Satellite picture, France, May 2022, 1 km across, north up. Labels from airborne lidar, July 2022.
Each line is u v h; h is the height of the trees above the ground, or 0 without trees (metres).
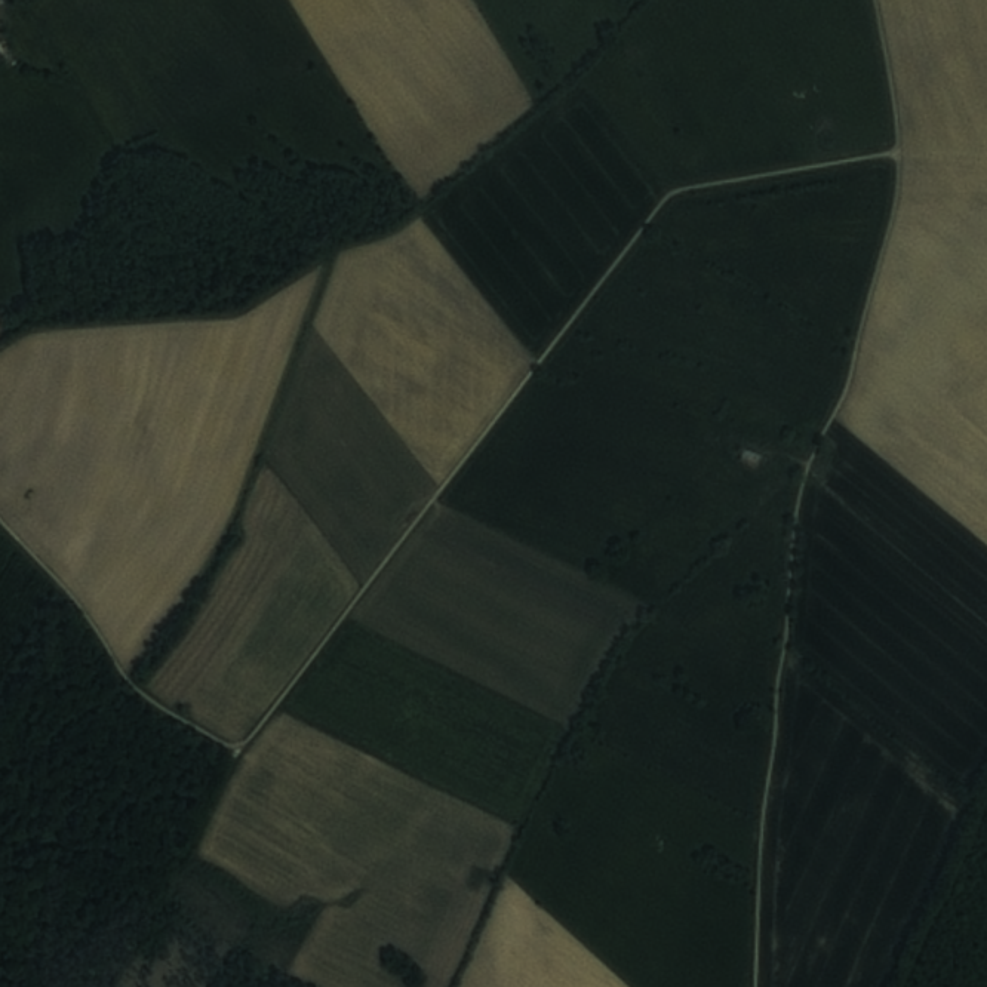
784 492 0
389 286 0
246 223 24
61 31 0
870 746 0
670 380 0
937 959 7
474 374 0
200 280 10
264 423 0
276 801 0
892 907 0
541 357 0
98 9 0
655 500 0
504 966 0
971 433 0
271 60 0
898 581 0
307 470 0
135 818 28
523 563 0
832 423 0
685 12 0
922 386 0
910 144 0
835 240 0
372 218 16
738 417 0
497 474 0
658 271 0
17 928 27
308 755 0
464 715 0
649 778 0
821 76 0
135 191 21
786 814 0
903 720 0
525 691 0
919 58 0
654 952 0
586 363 0
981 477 0
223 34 0
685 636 0
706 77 0
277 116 0
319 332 0
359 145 0
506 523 0
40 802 26
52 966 22
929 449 0
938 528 0
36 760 23
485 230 0
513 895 0
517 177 0
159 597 0
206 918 0
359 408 0
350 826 0
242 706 0
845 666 0
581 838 0
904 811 0
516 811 0
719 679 0
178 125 0
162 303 20
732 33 0
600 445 0
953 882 13
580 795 0
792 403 0
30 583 6
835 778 0
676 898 0
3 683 6
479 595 0
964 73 0
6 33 9
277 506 0
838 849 0
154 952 10
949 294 0
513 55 0
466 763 0
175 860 15
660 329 0
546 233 0
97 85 0
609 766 0
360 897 0
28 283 18
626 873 0
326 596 0
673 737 0
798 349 0
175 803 29
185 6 0
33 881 29
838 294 0
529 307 0
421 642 0
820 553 0
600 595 0
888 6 0
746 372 0
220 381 0
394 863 0
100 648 18
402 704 0
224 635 0
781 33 0
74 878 28
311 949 0
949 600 0
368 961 0
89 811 25
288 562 0
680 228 0
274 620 0
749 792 0
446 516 0
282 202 24
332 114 0
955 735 0
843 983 0
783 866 0
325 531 0
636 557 0
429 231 0
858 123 0
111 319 18
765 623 0
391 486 0
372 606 0
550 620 0
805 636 0
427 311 0
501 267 0
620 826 0
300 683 0
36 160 0
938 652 0
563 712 0
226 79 0
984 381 0
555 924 0
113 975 16
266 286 12
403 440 0
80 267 25
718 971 0
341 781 0
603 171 0
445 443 0
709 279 0
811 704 0
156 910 14
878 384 0
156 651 13
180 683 0
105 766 27
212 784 23
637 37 0
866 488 0
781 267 0
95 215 21
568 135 0
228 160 0
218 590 0
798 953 0
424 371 0
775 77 0
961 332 0
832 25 0
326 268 0
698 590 0
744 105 0
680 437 0
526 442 0
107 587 0
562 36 0
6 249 0
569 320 0
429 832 0
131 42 0
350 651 0
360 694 0
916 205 0
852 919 0
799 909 0
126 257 24
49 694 29
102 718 25
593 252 0
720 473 0
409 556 0
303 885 0
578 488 0
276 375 0
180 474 0
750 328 0
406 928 0
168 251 29
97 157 0
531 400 0
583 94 0
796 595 18
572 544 0
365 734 0
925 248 0
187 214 24
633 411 0
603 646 0
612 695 0
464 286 0
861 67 0
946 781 7
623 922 0
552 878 0
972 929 7
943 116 0
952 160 0
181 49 0
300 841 0
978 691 0
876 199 0
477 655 0
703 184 0
